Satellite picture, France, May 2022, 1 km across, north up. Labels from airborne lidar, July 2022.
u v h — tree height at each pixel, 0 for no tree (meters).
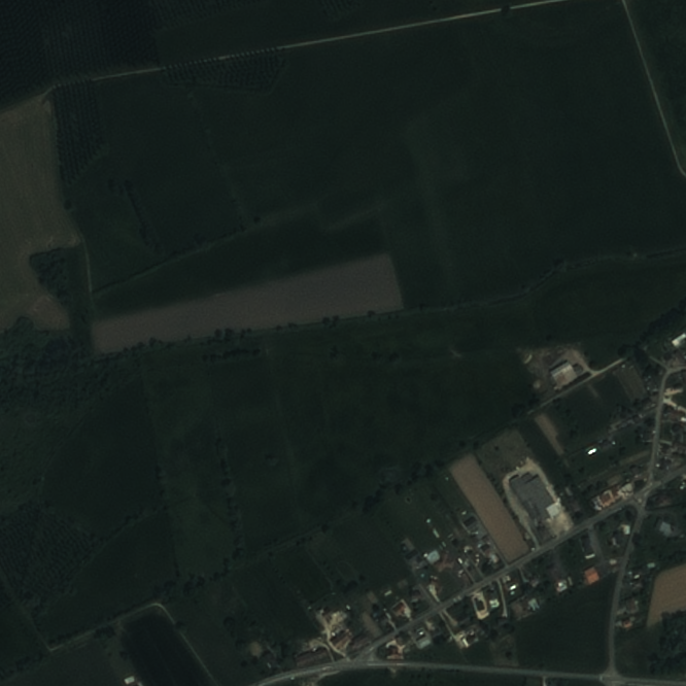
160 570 0
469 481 0
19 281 0
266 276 0
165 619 0
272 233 0
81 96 17
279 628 0
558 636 0
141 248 0
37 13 23
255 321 0
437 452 0
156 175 0
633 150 0
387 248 0
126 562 0
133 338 0
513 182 0
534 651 0
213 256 0
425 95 0
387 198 0
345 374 0
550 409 0
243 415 0
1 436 0
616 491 0
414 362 0
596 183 0
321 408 0
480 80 0
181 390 0
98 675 0
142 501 0
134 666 0
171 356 0
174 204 0
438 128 0
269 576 0
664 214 0
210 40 0
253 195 0
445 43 0
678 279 0
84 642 0
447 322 0
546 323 0
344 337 0
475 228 0
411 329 0
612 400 0
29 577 18
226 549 0
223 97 0
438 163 0
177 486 0
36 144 0
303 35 0
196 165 0
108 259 0
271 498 0
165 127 0
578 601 0
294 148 0
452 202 0
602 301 0
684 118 0
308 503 0
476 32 0
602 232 0
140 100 0
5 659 0
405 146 0
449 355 0
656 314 0
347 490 0
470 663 0
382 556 0
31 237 0
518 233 0
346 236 0
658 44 0
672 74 0
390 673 7
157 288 0
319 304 0
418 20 0
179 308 0
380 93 0
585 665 0
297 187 0
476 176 0
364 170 0
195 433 0
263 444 0
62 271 8
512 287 0
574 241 0
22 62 23
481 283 0
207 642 0
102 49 18
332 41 0
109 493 0
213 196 0
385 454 0
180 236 0
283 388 0
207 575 0
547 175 0
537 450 0
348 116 0
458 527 0
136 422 0
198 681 0
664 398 0
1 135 0
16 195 0
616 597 0
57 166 0
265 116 0
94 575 0
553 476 0
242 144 0
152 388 0
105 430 0
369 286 0
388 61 0
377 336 0
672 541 6
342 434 0
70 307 21
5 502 0
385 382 0
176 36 0
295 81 0
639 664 0
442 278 0
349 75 0
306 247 0
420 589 0
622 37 0
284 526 0
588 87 0
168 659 0
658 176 0
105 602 0
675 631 20
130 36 17
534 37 0
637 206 0
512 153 0
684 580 0
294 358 0
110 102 0
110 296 0
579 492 6
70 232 0
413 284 0
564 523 0
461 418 0
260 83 12
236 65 14
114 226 0
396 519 0
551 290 0
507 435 0
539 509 0
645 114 0
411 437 0
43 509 7
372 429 0
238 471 0
